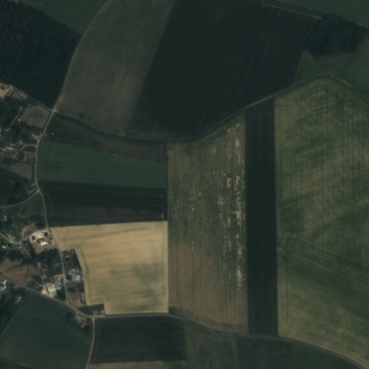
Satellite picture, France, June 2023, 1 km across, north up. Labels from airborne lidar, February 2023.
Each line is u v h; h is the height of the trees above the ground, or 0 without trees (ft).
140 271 0
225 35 0
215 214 0
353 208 0
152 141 0
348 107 0
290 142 0
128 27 0
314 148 0
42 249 0
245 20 0
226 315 0
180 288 0
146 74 0
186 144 0
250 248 0
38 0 0
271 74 0
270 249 0
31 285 0
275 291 0
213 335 0
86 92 0
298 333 0
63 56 73
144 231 0
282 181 0
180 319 0
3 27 70
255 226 0
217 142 0
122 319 0
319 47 35
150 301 0
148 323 0
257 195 0
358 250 0
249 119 0
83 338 0
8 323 21
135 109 0
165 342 0
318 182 0
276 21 0
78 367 0
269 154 0
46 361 0
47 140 0
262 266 0
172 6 0
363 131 0
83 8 0
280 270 0
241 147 0
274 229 0
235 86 0
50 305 0
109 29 0
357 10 0
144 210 0
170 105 0
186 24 0
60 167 0
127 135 0
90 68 0
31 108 0
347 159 0
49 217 0
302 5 0
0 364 0
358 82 0
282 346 0
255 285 0
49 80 75
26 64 84
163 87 0
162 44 0
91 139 0
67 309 0
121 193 0
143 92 0
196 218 0
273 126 0
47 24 67
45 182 0
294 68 0
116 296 0
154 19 0
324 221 0
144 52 0
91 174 0
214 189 0
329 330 0
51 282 0
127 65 0
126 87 0
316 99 0
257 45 0
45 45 70
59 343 0
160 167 0
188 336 0
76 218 0
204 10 0
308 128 0
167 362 0
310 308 0
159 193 0
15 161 28
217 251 0
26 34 74
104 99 0
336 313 0
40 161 0
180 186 0
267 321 0
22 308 0
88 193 0
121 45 0
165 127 0
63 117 0
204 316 0
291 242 0
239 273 0
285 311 0
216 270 0
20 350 0
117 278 0
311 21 0
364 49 0
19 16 72
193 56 0
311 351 0
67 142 0
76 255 22
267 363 0
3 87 33
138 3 0
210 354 0
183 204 0
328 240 0
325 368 0
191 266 0
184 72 0
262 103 0
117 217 0
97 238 0
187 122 0
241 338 0
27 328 0
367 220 0
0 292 0
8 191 0
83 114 0
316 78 0
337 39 73
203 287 0
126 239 0
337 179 0
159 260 0
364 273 0
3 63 76
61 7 0
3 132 26
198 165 0
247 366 0
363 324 0
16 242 0
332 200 0
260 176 0
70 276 33
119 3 0
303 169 0
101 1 0
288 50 0
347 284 0
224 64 0
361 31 66
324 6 0
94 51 0
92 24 0
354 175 0
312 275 0
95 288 0
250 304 0
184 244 0
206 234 0
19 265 0
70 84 0
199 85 0
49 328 0
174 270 0
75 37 64
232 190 0
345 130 0
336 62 0
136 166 0
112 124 0
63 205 0
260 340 0
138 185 0
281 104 0
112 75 0
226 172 0
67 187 0
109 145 0
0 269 0
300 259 0
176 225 0
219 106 0
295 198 0
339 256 0
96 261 0
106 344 0
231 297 0
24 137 23
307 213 0
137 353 0
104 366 0
